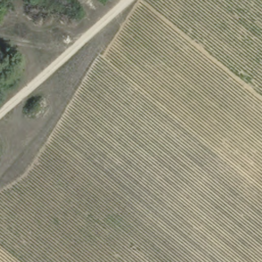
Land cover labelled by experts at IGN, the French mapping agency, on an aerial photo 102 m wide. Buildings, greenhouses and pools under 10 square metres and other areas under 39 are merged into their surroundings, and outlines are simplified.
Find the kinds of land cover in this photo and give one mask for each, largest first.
<instances>
[{"label":"vineyard","instance_id":"1","mask_svg":"<svg viewBox=\"0 0 262 262\"><path fill-rule=\"evenodd\" d=\"M137 3L126 16L114 39L107 45L103 54H98L92 62L31 165L19 177L0 187V262H262V0H135Z\"/></svg>","mask_w":262,"mask_h":262},{"label":"herbaceous vegetation","instance_id":"2","mask_svg":"<svg viewBox=\"0 0 262 262\"><path fill-rule=\"evenodd\" d=\"M86 16L73 19L67 15L54 13L52 6L43 9L39 4L32 5L31 1L23 0H0V38L11 46H16V51L21 55V61L17 63L19 75L9 84L11 89L0 98V108L61 53L74 45L83 33L120 0H78ZM137 3L135 0H133L31 94L42 97L35 119L23 114L26 99L17 103L0 119V187L19 177L31 165L92 62L98 54H103L107 45L114 39L126 16Z\"/></svg>","mask_w":262,"mask_h":262},{"label":"pervious surface","instance_id":"3","mask_svg":"<svg viewBox=\"0 0 262 262\"><path fill-rule=\"evenodd\" d=\"M133 0H120L83 33L74 45L61 53L0 108V119L17 103L26 99L31 94Z\"/></svg>","mask_w":262,"mask_h":262},{"label":"brushwood","instance_id":"4","mask_svg":"<svg viewBox=\"0 0 262 262\"><path fill-rule=\"evenodd\" d=\"M31 1L32 5L39 4L43 9L52 6L54 13L67 15L73 19L86 16L78 0H23ZM42 97L31 94L26 99L23 114L35 119Z\"/></svg>","mask_w":262,"mask_h":262},{"label":"coniferous trees","instance_id":"5","mask_svg":"<svg viewBox=\"0 0 262 262\"><path fill-rule=\"evenodd\" d=\"M21 61V55L16 51V46H11L0 38V98L11 89L9 84L19 75L17 63Z\"/></svg>","mask_w":262,"mask_h":262}]
</instances>
